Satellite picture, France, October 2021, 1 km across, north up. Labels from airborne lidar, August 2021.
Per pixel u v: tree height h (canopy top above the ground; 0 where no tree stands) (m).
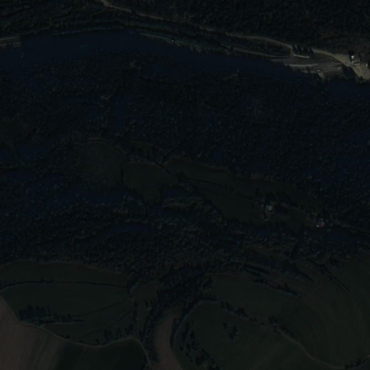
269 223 0
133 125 16
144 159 16
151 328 9
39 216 25
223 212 0
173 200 18
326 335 0
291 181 24
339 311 0
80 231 25
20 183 28
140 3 9
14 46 0
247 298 0
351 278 0
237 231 19
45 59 22
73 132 25
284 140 28
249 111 21
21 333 0
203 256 9
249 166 13
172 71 25
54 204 11
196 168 0
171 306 8
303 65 0
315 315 0
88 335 0
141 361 0
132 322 0
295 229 0
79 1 13
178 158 9
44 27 18
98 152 0
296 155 9
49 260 11
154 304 0
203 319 0
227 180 0
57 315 0
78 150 0
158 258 12
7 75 24
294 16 19
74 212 20
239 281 0
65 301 0
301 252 13
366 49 9
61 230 23
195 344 14
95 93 16
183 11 32
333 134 31
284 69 0
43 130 26
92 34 0
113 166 0
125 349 0
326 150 24
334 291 0
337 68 0
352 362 0
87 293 0
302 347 0
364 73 0
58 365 0
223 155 19
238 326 0
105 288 0
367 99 11
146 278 9
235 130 13
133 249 11
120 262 13
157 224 14
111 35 0
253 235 15
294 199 0
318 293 0
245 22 22
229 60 0
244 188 0
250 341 0
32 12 21
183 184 14
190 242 19
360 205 22
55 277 0
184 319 6
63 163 28
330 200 23
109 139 17
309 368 0
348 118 32
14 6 21
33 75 14
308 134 23
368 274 0
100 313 0
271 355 0
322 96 7
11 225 20
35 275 0
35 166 23
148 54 7
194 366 0
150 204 0
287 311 0
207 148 12
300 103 26
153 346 9
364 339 0
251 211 0
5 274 0
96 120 29
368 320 0
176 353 0
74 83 32
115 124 11
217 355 0
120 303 0
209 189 0
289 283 0
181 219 17
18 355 0
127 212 22
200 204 14
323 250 15
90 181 0
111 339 13
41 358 0
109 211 19
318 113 31
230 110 28
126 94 7
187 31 17
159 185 0
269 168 14
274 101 23
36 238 14
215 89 29
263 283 8
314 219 16
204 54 0
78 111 23
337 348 0
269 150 23
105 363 0
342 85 0
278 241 17
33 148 8
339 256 21
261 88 25
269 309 0
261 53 0
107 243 19
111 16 18
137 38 0
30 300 0
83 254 18
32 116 21
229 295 0
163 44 0
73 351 0
